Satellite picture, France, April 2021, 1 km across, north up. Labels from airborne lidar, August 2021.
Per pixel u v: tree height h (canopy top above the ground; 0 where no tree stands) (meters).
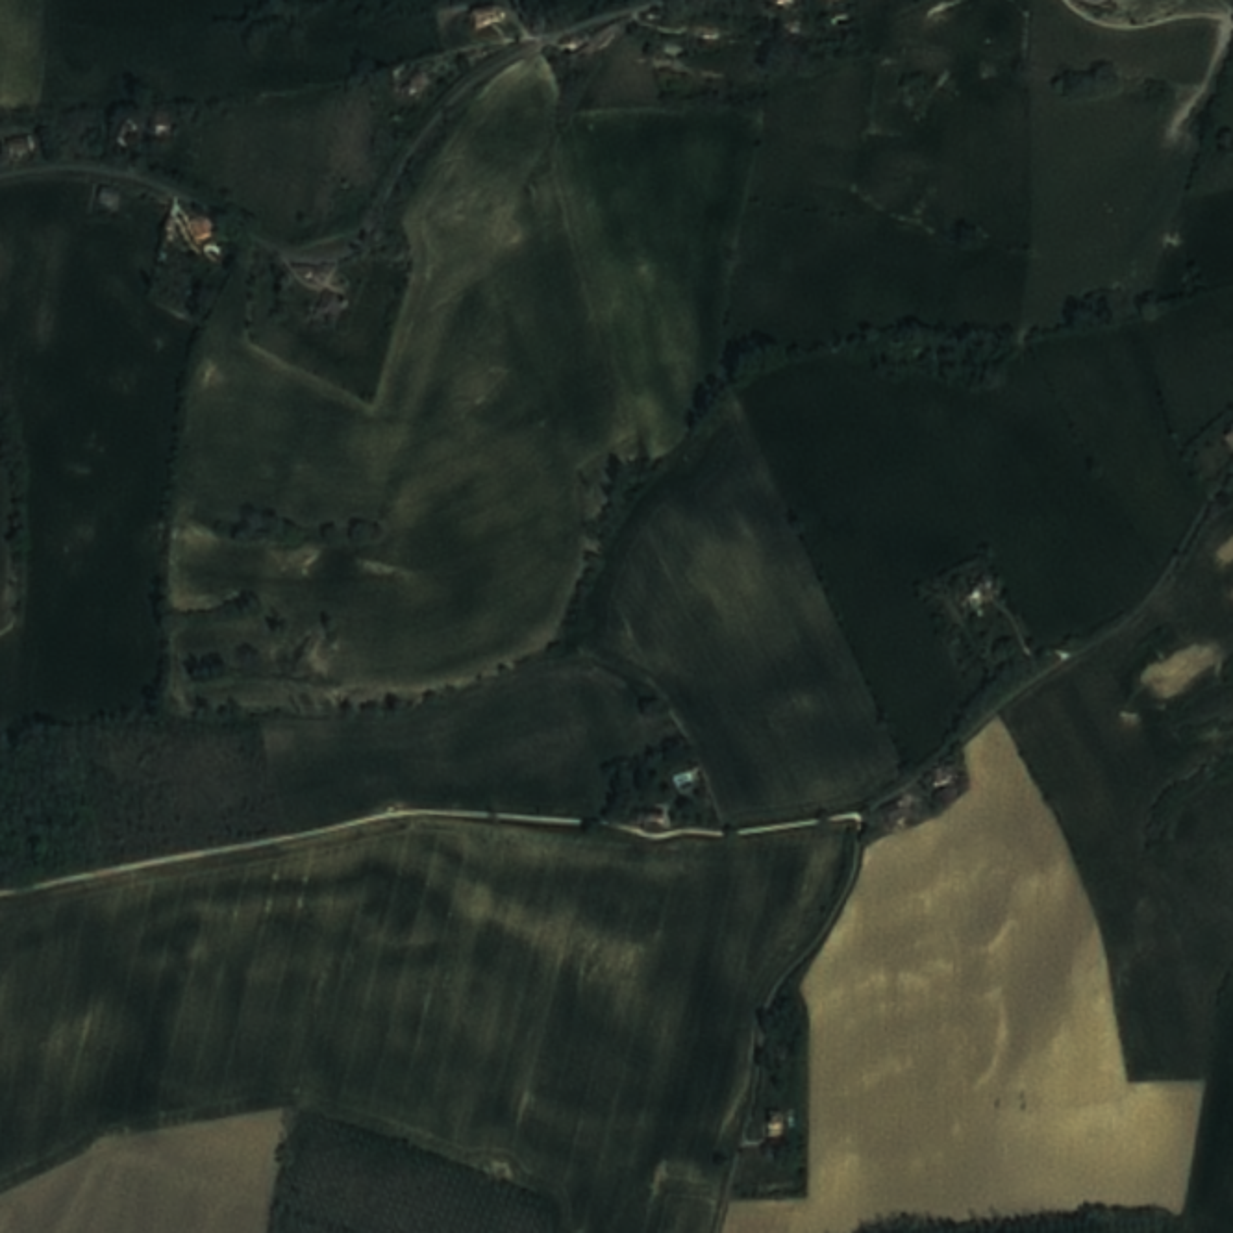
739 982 0
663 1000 0
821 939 0
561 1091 0
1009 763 0
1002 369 9
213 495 0
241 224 13
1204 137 6
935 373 15
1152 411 0
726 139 0
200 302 16
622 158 0
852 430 0
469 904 0
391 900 0
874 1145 0
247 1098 0
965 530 0
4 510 0
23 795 21
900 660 0
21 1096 0
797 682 0
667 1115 0
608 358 0
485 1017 0
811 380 0
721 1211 0
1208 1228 0
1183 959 0
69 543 0
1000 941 0
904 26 0
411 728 0
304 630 0
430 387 0
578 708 0
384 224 14
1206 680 0
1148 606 0
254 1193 0
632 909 0
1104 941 0
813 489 0
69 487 0
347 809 0
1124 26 0
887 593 0
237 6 0
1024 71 15
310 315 8
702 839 0
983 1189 0
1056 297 0
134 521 0
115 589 0
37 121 9
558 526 0
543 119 0
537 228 0
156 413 0
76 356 0
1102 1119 0
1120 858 0
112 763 9
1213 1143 0
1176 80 0
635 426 0
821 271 0
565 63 8
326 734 0
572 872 0
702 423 17
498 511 0
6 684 0
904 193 0
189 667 0
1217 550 0
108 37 0
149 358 0
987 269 0
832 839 0
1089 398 0
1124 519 0
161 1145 0
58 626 0
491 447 0
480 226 0
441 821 0
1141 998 0
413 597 0
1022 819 0
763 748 0
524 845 0
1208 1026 0
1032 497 0
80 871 8
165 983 0
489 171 0
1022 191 0
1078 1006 0
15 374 0
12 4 0
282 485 0
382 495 0
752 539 0
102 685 0
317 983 0
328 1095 0
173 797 7
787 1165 22
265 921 0
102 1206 0
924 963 0
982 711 18
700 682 0
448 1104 0
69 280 0
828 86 0
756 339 0
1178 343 0
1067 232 0
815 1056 0
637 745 0
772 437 0
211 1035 0
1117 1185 0
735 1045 0
